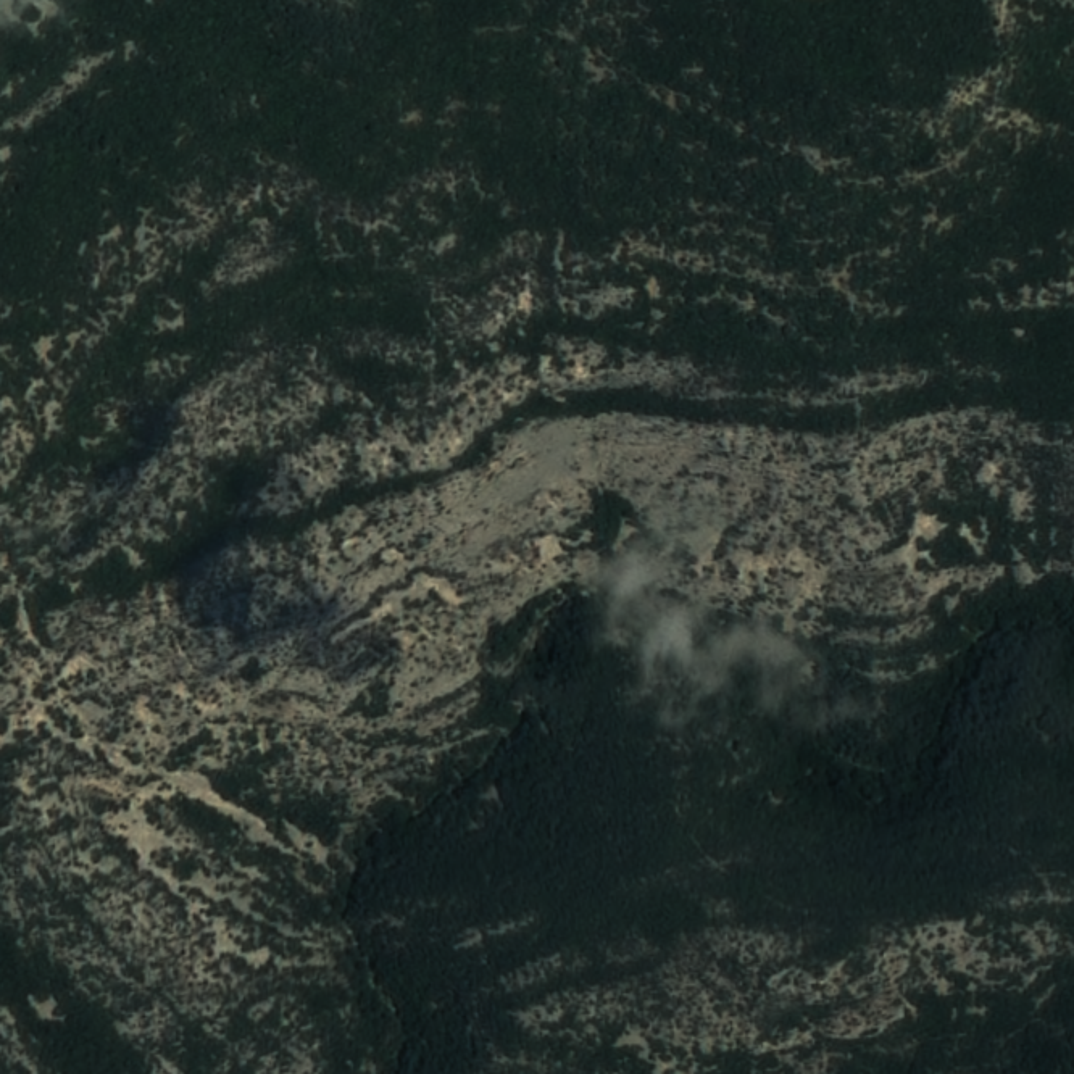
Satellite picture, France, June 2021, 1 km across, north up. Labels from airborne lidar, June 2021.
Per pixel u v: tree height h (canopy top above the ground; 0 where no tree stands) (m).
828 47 8
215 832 8
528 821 12
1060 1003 7
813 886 8
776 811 15
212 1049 6
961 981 8
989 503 6
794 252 8
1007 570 8
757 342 6
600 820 6
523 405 9
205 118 7
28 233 7
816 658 10
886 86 6
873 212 7
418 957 7
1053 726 18
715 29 6
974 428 6
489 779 10
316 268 7
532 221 7
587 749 6
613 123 6
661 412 9
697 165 7
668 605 15
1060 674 11
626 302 6
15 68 9
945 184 8
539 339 6
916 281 7
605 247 6
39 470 7
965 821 7
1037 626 14
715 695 9
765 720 9
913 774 7
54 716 6
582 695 14
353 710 6
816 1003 9
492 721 14
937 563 6
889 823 8
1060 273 8
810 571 0
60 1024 18
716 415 6
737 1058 8
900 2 7
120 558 10
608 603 13
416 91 7
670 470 0
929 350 6
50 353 6
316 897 7
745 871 7
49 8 0
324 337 6
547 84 6
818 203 5
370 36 8
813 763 18
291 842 7
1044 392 9
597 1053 6
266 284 6
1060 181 7
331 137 7
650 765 7
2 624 9
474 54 7
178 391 7
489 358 6
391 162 6
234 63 8
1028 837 7
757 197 7
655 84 8
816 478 9
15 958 13
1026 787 6
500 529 0
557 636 8
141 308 8
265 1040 6
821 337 7
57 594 9
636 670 5
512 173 8
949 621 10
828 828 11
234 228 6
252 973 6
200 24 11
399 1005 12
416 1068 7
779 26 6
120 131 8
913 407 9
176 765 7
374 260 5
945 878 6
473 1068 8
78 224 6
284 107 11
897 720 16
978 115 6
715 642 17
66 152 9
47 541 6
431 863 9
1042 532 9
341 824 9
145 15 10
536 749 12
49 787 6
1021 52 7
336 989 6
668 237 6
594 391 11
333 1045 9
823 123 6
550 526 7
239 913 8
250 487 7
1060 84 6
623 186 8
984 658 16
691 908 6
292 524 8
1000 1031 6
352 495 11
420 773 6
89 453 7
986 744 13
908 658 6
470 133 7
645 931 6
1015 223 7
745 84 10
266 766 6
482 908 6
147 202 7
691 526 7
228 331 8
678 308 7
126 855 6
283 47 8
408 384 6
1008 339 9
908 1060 6
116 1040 7
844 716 15
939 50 8
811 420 8
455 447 0
